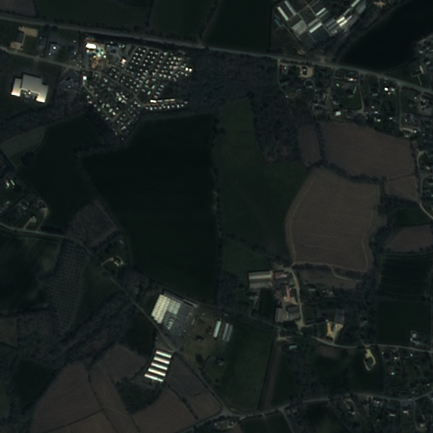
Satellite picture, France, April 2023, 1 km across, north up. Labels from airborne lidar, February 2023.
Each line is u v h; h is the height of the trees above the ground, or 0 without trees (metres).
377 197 0
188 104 13
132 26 0
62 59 0
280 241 0
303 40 0
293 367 16
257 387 0
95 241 12
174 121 0
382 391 17
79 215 10
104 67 0
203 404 0
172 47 9
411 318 0
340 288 0
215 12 11
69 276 26
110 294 0
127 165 0
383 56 0
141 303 11
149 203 0
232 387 0
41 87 0
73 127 0
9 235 0
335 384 0
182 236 0
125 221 0
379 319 0
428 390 0
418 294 0
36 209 6
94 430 0
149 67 10
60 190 0
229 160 0
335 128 0
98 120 21
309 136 0
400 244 0
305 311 0
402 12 0
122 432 0
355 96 0
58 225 0
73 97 0
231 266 0
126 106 11
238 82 11
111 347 10
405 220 0
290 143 13
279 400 0
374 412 6
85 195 0
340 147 0
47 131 0
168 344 0
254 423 0
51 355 11
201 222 0
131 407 6
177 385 0
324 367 0
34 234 0
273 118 0
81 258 28
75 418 0
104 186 0
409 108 0
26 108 0
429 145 8
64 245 8
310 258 0
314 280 0
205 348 0
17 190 17
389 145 0
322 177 0
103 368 0
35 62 0
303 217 0
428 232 0
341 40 13
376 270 13
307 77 0
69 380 0
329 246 0
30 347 10
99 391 0
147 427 0
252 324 8
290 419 11
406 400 0
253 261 0
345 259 0
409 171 0
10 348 9
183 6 0
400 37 0
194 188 0
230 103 14
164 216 0
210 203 0
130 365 0
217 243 0
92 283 0
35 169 0
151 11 6
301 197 0
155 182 0
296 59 0
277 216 0
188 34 0
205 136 0
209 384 11
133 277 28
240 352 0
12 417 7
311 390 11
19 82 0
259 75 12
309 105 6
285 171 0
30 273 0
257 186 0
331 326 0
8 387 11
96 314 12
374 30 0
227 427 0
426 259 0
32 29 0
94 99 7
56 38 0
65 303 25
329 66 0
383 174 0
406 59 0
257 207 0
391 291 0
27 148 0
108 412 0
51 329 11
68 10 0
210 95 13
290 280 0
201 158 0
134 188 0
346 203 0
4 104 0
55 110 13
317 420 0
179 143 0
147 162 0
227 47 0
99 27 12
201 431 0
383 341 0
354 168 0
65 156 0
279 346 0
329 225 0
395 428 8
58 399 0
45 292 15
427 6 0
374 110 0
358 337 7
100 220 15
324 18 0
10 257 0
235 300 13
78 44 0
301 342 0
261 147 17
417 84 0
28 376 0
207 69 10
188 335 0
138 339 0
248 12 0
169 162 0
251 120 0
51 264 0
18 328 9
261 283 0
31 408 11
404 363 8
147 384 0
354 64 0
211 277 0
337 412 8
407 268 0
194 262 0
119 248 17
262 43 0
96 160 0
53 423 0
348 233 0
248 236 0
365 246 0
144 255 0
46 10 0
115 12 0
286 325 12
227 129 0
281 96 11
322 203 0
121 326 9
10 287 0
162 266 0
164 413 0
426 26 0
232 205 0
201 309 0
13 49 0
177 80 12
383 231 14
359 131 0
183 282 0
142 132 0
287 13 0
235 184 0
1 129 12
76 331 8
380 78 0
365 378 0
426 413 9
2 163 12
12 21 0
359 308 21
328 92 0
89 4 0
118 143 15
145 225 0
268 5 0
